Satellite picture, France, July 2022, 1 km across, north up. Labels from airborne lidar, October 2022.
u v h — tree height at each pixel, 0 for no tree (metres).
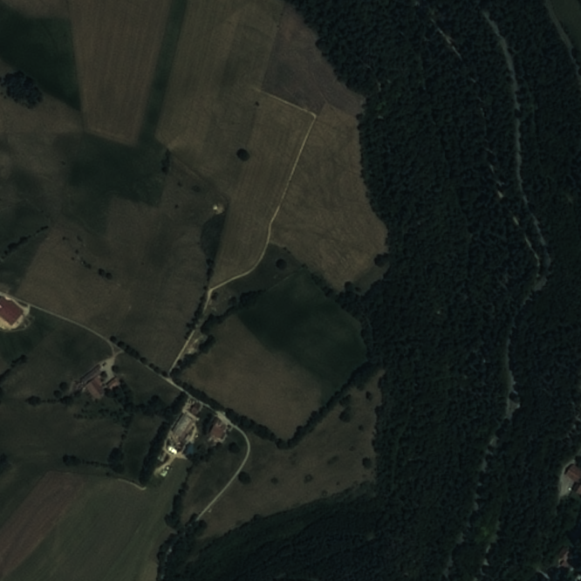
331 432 0
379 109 32
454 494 25
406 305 29
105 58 0
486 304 6
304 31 0
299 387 0
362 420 0
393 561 21
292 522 10
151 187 0
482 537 32
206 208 0
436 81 28
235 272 0
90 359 0
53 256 0
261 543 6
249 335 0
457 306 20
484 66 34
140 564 0
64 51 0
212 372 0
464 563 30
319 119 0
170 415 19
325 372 0
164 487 0
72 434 0
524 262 35
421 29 29
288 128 0
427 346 23
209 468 0
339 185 0
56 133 0
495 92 30
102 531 0
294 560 18
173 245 0
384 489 18
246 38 0
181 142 0
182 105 0
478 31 30
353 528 16
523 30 15
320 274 0
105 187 0
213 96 0
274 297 0
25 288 0
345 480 0
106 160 0
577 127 15
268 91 0
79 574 0
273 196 0
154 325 0
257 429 17
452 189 11
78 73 0
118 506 0
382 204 15
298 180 0
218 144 0
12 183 0
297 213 0
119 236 0
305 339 0
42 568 0
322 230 0
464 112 30
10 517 0
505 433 26
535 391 29
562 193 11
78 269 0
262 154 0
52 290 0
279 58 0
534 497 35
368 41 16
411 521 23
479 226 34
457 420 33
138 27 0
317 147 0
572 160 8
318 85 0
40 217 0
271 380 0
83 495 0
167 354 0
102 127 0
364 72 17
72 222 0
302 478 0
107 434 0
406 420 8
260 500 0
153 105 0
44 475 0
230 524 0
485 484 26
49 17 0
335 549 20
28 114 0
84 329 0
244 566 14
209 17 0
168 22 0
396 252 14
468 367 21
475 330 26
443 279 25
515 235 30
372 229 0
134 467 0
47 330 0
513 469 24
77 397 10
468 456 21
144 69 0
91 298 0
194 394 16
